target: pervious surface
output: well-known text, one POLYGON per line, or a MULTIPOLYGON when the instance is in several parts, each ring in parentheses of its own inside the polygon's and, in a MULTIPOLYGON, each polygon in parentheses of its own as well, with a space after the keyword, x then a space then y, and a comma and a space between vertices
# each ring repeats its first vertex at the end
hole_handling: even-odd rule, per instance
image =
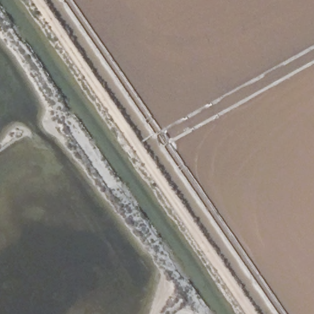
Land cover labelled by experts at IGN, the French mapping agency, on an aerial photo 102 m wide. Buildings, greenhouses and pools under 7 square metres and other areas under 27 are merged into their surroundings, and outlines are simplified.
POLYGON ((175 292, 173 282, 167 280, 164 271, 157 271, 161 278, 153 296, 150 314, 162 314, 163 305, 168 298, 174 299, 175 292))
POLYGON ((204 301, 197 298, 194 289, 188 293, 188 297, 195 303, 195 312, 185 307, 177 314, 212 314, 204 301))
POLYGON ((4 139, 0 141, 0 152, 12 142, 31 136, 32 131, 21 123, 13 123, 7 128, 4 139))
POLYGON ((25 72, 42 104, 43 130, 55 137, 61 145, 66 142, 63 125, 53 121, 50 115, 50 110, 58 108, 50 105, 45 99, 39 88, 42 85, 38 83, 37 77, 32 77, 26 59, 18 52, 16 45, 7 42, 6 48, 25 72))
POLYGON ((164 126, 163 134, 169 137, 169 146, 158 147, 271 314, 291 314, 275 288, 271 286, 269 278, 260 269, 258 262, 251 258, 248 249, 244 247, 232 224, 213 200, 204 182, 197 184, 189 169, 184 166, 175 142, 314 65, 314 59, 237 103, 229 105, 221 112, 213 114, 212 117, 200 121, 199 124, 184 129, 178 135, 170 136, 168 130, 314 50, 314 44, 242 85, 232 88, 231 91, 221 94, 210 103, 201 105, 185 117, 164 126))
POLYGON ((65 119, 66 124, 70 126, 72 135, 90 157, 93 167, 97 168, 109 188, 118 188, 121 184, 109 172, 107 164, 102 161, 101 152, 93 147, 74 117, 65 119))
POLYGON ((151 139, 157 139, 155 131, 159 126, 94 33, 90 23, 78 10, 74 0, 58 0, 75 29, 86 40, 88 47, 151 139))
POLYGON ((156 182, 148 185, 152 190, 158 185, 167 196, 180 221, 193 235, 195 243, 191 247, 193 248, 195 244, 199 245, 205 259, 210 261, 211 266, 216 267, 218 275, 231 289, 233 296, 247 314, 258 314, 233 276, 142 145, 140 141, 44 0, 33 0, 40 12, 39 17, 52 26, 52 37, 58 37, 72 63, 85 76, 88 85, 107 107, 119 129, 134 146, 137 156, 145 163, 146 173, 156 182))

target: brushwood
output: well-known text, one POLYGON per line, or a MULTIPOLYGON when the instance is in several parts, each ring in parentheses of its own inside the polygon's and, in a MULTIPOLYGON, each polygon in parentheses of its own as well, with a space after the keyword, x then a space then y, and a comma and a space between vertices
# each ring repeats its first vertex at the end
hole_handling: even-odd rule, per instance
POLYGON ((78 40, 75 29, 58 0, 44 0, 140 141, 144 137, 141 129, 88 56, 86 49, 78 40))
POLYGON ((152 190, 158 204, 170 220, 177 224, 179 232, 184 235, 191 247, 195 243, 193 235, 180 221, 167 196, 158 185, 152 190))
POLYGON ((64 104, 60 102, 53 83, 48 80, 42 66, 27 45, 17 38, 10 21, 4 15, 4 10, 0 7, 0 42, 6 48, 7 42, 16 45, 18 52, 26 59, 32 77, 37 77, 38 83, 42 85, 39 88, 45 99, 50 105, 58 108, 50 110, 50 115, 53 121, 63 125, 66 142, 61 145, 66 155, 82 170, 92 188, 102 197, 105 206, 112 210, 126 231, 129 231, 142 253, 151 256, 152 264, 157 271, 164 271, 167 280, 173 282, 175 292, 174 299, 168 298, 163 305, 162 314, 177 314, 185 307, 195 312, 195 303, 188 297, 188 293, 194 289, 189 285, 188 277, 178 262, 169 258, 167 245, 159 243, 155 227, 150 226, 144 217, 141 217, 140 211, 136 210, 137 201, 134 196, 124 184, 121 184, 118 188, 109 188, 97 168, 93 167, 90 157, 72 135, 70 126, 66 124, 65 119, 74 117, 70 112, 65 112, 64 104))
POLYGON ((199 245, 195 244, 193 248, 235 314, 247 314, 233 296, 231 289, 218 275, 216 267, 211 266, 210 261, 205 259, 199 245))
POLYGON ((142 145, 233 276, 237 274, 237 270, 234 269, 231 260, 227 258, 220 244, 213 239, 209 229, 164 166, 158 153, 148 141, 142 145))
POLYGON ((85 76, 72 63, 58 37, 52 37, 52 26, 39 17, 40 12, 33 0, 20 0, 32 20, 42 29, 56 54, 64 61, 88 101, 94 105, 99 117, 117 137, 136 173, 148 185, 156 182, 146 173, 145 163, 137 156, 134 146, 119 129, 107 107, 88 85, 85 76))

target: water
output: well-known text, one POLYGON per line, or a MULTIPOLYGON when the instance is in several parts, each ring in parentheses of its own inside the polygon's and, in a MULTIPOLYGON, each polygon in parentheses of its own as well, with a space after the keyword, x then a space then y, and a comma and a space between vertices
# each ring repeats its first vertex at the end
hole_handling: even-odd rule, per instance
POLYGON ((55 137, 43 130, 42 104, 25 72, 6 48, 0 42, 0 141, 4 139, 7 128, 13 123, 21 123, 32 131, 31 136, 12 142, 0 152, 0 314, 150 314, 153 296, 161 278, 157 271, 152 264, 151 256, 142 253, 129 231, 126 231, 112 210, 105 206, 102 197, 92 188, 82 170, 66 155, 61 145, 55 137))
POLYGON ((213 200, 232 224, 244 247, 248 249, 251 258, 258 262, 260 269, 269 278, 271 286, 275 288, 291 314, 314 314, 314 65, 175 142, 184 166, 189 169, 197 184, 204 182, 213 200))
POLYGON ((231 260, 234 269, 237 270, 237 274, 233 276, 258 314, 271 314, 158 147, 169 146, 169 137, 163 134, 164 126, 185 117, 201 105, 210 103, 221 94, 231 91, 232 88, 242 85, 314 44, 314 0, 74 0, 78 10, 90 23, 94 33, 159 126, 155 131, 157 139, 151 139, 88 47, 86 40, 75 29, 78 40, 86 49, 88 56, 141 129, 144 137, 140 141, 142 145, 148 141, 158 153, 164 166, 209 229, 213 239, 220 244, 227 258, 231 260))
POLYGON ((314 59, 314 50, 168 130, 170 136, 178 135, 184 129, 199 124, 200 121, 212 117, 213 114, 221 112, 229 105, 237 103, 314 59))
POLYGON ((124 184, 134 196, 137 201, 136 210, 140 211, 141 217, 144 217, 150 226, 155 227, 159 243, 167 245, 169 258, 178 262, 188 277, 189 285, 194 289, 197 298, 204 301, 212 314, 235 314, 193 248, 191 247, 184 235, 179 232, 177 224, 170 220, 158 204, 152 190, 148 185, 136 173, 117 137, 99 117, 94 105, 88 101, 64 61, 56 54, 42 29, 32 20, 20 0, 0 0, 0 7, 4 10, 4 15, 10 21, 17 38, 27 45, 42 66, 48 80, 53 83, 60 102, 64 104, 65 112, 70 112, 74 117, 93 147, 101 152, 102 161, 107 164, 109 172, 121 184, 124 184))

